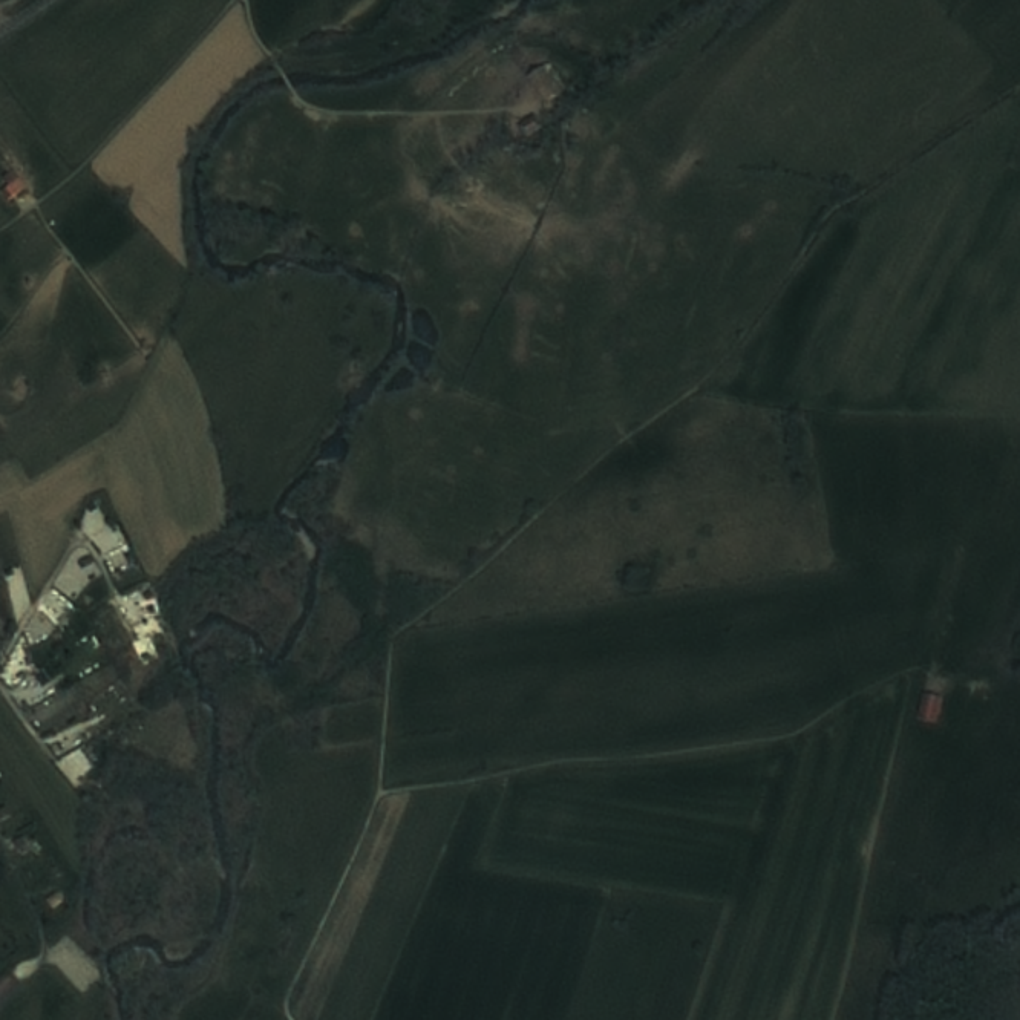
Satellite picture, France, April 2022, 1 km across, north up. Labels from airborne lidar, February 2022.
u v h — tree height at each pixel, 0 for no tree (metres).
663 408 0
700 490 0
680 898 0
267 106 0
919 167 0
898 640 0
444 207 0
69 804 0
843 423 0
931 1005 17
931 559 0
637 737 0
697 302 0
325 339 0
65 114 0
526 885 0
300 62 0
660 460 0
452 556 0
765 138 0
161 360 0
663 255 0
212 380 0
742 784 0
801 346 0
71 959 0
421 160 0
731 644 0
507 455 0
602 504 0
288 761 0
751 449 0
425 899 0
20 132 0
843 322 0
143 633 0
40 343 0
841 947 0
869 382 0
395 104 0
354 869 0
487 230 0
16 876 0
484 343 0
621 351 0
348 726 0
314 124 0
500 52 0
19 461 0
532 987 0
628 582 12
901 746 0
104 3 0
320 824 0
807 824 0
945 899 0
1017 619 0
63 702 0
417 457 0
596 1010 0
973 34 0
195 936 0
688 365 0
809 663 0
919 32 0
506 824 0
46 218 0
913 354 0
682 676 0
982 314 0
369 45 0
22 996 0
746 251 0
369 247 0
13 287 0
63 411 0
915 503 0
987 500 0
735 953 0
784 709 0
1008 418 0
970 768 0
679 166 0
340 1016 0
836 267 0
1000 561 0
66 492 0
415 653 0
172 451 0
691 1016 0
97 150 0
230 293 0
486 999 0
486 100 0
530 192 0
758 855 0
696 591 0
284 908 0
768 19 0
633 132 0
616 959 0
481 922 0
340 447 0
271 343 0
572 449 0
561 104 15
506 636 0
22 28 0
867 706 0
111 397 0
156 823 18
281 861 0
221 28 0
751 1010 0
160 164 0
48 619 0
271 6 0
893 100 0
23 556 0
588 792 0
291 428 0
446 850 0
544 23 0
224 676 18
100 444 0
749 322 0
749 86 0
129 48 0
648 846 0
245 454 0
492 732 0
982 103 0
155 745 0
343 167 0
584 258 0
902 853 0
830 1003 0
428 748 0
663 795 0
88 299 0
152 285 0
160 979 0
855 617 0
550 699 0
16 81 0
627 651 0
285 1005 0
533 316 0
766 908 0
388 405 0
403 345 0
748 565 0
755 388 0
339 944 0
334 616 0
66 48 0
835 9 0
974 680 0
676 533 0
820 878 0
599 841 0
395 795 0
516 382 0
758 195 0
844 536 0
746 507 0
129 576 0
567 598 0
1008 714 0
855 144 0
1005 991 16
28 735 0
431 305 0
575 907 0
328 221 0
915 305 0
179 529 0
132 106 0
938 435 0
